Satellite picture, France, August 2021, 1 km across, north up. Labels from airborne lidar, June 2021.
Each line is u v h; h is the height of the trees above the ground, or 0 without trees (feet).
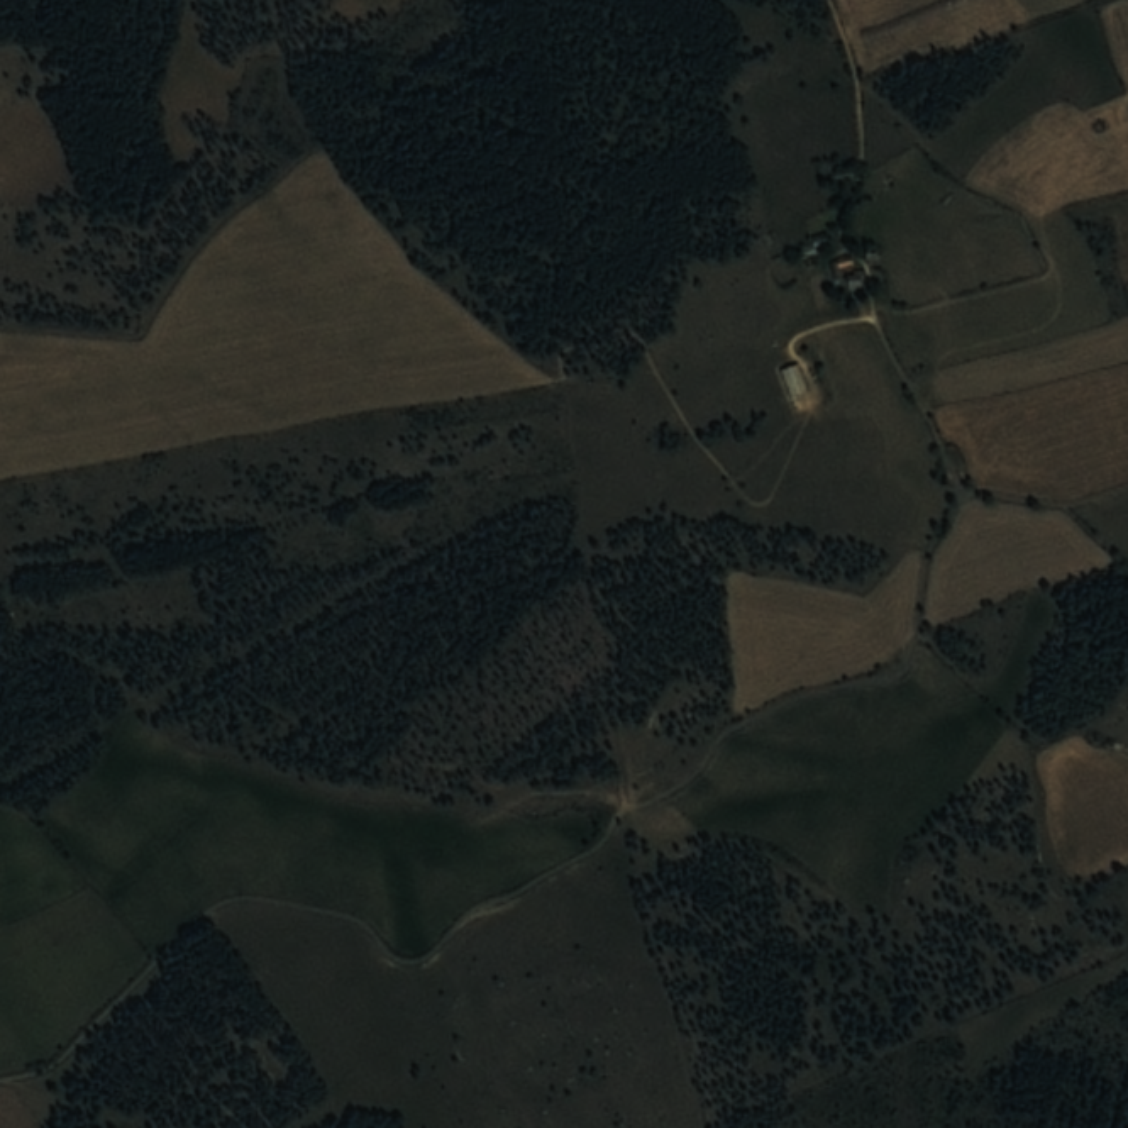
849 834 0
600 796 0
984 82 31
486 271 34
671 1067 0
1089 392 0
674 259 40
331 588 44
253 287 0
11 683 56
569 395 0
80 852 0
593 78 34
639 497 0
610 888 0
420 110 63
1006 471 0
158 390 0
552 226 47
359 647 54
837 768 0
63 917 0
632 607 29
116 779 0
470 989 0
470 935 0
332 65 43
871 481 0
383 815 0
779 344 0
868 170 30
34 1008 0
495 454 0
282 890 0
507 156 48
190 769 0
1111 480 0
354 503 30
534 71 47
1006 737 0
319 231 0
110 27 44
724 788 0
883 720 0
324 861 0
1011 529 0
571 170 41
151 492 0
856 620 0
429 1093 0
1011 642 0
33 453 0
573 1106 0
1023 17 0
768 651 0
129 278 30
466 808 0
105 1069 46
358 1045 0
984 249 0
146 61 28
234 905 0
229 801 0
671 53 40
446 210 34
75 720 47
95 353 0
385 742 39
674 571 55
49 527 0
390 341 0
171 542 40
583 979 0
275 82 0
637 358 37
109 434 0
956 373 0
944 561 0
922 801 0
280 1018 37
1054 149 0
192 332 0
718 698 23
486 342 0
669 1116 0
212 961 52
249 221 0
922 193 0
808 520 0
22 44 19
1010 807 40
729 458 0
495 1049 0
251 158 21
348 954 0
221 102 0
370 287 0
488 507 0
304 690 41
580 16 35
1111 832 0
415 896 0
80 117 56
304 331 0
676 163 42
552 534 45
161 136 39
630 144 27
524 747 25
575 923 0
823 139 0
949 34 0
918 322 0
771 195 0
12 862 0
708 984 21
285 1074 0
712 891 41
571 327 39
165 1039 54
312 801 0
